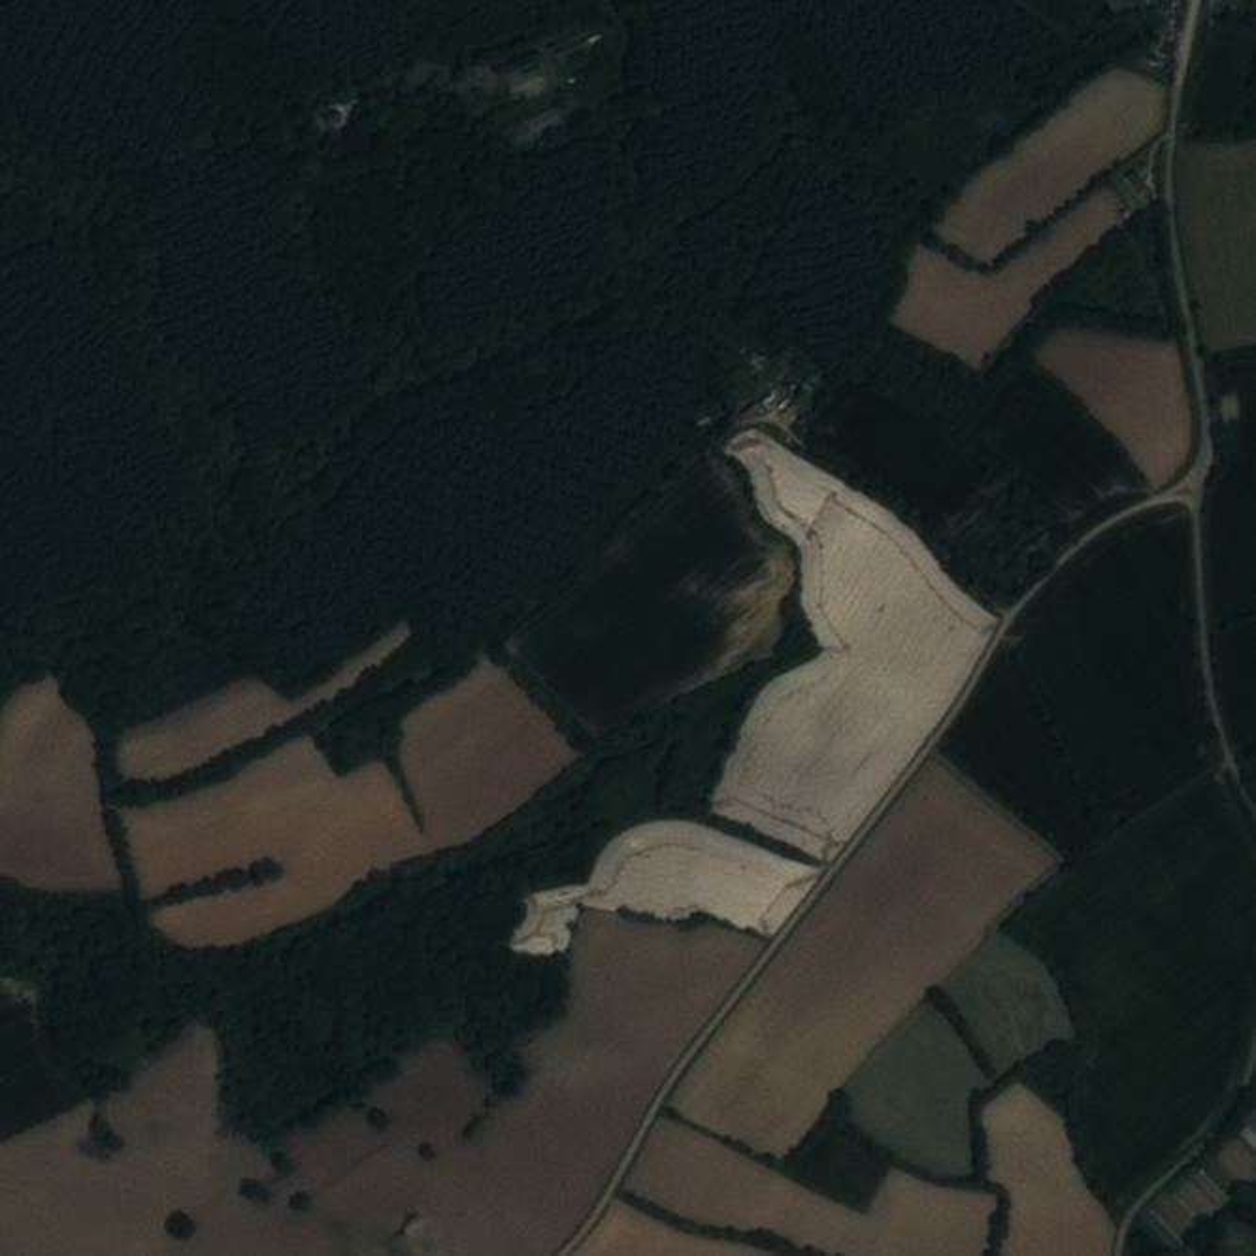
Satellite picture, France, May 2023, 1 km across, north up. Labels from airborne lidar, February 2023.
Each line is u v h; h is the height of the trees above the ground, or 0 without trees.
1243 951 0
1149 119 0
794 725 0
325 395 19
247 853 0
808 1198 0
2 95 13
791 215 22
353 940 19
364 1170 0
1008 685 0
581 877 12
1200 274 0
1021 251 10
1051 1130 0
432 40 19
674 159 23
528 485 20
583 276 22
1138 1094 0
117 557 20
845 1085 0
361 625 17
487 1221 0
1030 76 18
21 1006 0
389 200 14
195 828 0
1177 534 0
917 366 17
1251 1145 0
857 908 0
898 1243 0
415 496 21
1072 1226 0
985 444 0
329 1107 14
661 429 17
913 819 0
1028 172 0
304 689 13
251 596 14
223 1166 0
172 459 15
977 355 0
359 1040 8
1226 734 0
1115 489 0
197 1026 7
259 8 20
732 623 0
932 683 0
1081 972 0
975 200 0
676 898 0
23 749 0
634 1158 0
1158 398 0
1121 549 0
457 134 16
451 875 7
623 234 13
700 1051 0
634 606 0
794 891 0
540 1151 0
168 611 7
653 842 0
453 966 14
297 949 17
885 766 0
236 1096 11
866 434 0
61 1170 0
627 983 0
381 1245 0
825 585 0
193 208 21
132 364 12
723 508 0
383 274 17
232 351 22
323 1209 0
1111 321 11
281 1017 12
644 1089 0
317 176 19
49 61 21
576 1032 0
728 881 0
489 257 20
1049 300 10
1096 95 0
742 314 19
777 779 0
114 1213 0
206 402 13
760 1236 10
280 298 20
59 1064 0
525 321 18
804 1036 0
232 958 15
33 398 23
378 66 17
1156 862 0
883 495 12
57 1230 0
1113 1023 0
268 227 21
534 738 0
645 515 9
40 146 19
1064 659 0
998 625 0
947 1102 0
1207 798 0
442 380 12
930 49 24
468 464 22
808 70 15
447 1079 0
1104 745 0
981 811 0
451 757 0
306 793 0
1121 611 0
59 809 0
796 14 18
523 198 23
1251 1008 0
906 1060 0
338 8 21
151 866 0
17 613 22
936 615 0
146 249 18
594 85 0
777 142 7
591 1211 0
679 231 14
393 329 11
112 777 13
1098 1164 0
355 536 15
